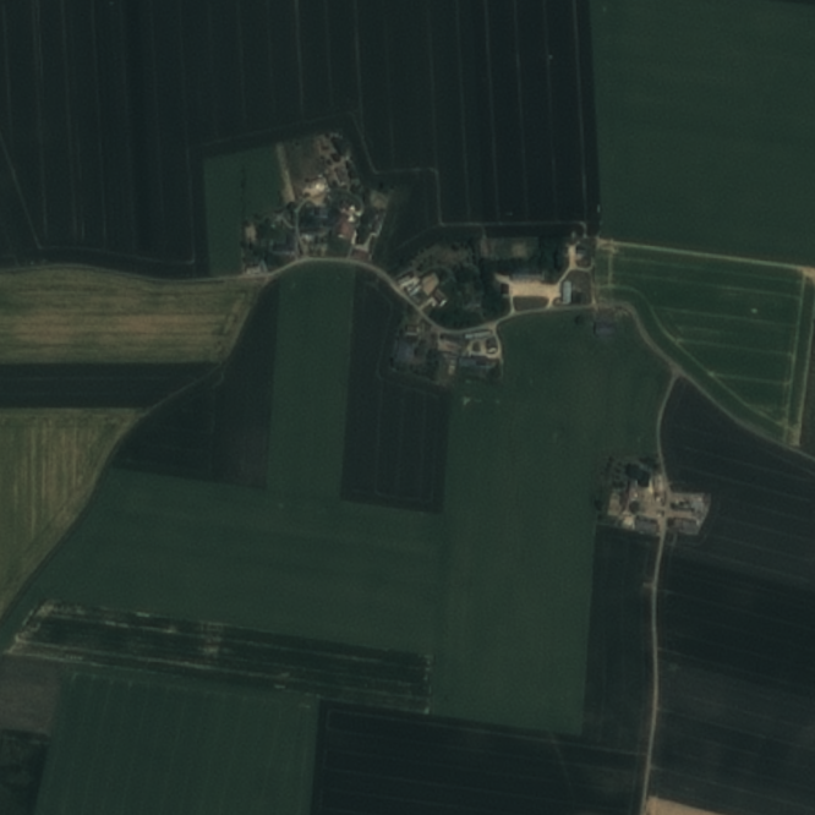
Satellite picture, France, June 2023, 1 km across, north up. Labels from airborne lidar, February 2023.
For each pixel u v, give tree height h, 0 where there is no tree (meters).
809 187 0
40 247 0
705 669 0
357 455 0
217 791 0
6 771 0
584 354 0
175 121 0
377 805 0
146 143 0
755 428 0
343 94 0
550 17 0
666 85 0
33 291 0
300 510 0
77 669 0
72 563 0
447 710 0
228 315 0
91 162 0
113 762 0
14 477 0
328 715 0
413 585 0
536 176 0
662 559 0
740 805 0
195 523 0
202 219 0
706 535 0
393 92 0
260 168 0
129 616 0
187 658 0
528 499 0
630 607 0
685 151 0
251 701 0
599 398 0
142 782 0
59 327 0
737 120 0
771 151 0
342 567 0
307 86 0
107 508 0
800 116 0
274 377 0
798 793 0
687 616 0
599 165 0
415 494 0
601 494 0
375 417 0
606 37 0
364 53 0
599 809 0
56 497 0
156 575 0
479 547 0
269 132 0
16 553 0
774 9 0
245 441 0
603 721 0
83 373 0
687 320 0
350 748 0
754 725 0
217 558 0
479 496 0
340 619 0
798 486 0
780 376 0
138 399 0
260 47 0
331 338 0
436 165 0
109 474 0
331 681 0
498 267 13
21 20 0
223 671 0
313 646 0
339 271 0
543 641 0
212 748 0
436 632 0
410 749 0
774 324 0
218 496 0
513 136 0
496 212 0
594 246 0
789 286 0
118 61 0
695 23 0
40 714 0
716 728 0
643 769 0
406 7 0
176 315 0
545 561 0
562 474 0
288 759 0
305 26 0
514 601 0
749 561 0
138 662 0
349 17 0
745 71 0
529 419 0
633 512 9
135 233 0
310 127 0
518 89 0
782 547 0
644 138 0
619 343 0
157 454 0
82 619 0
